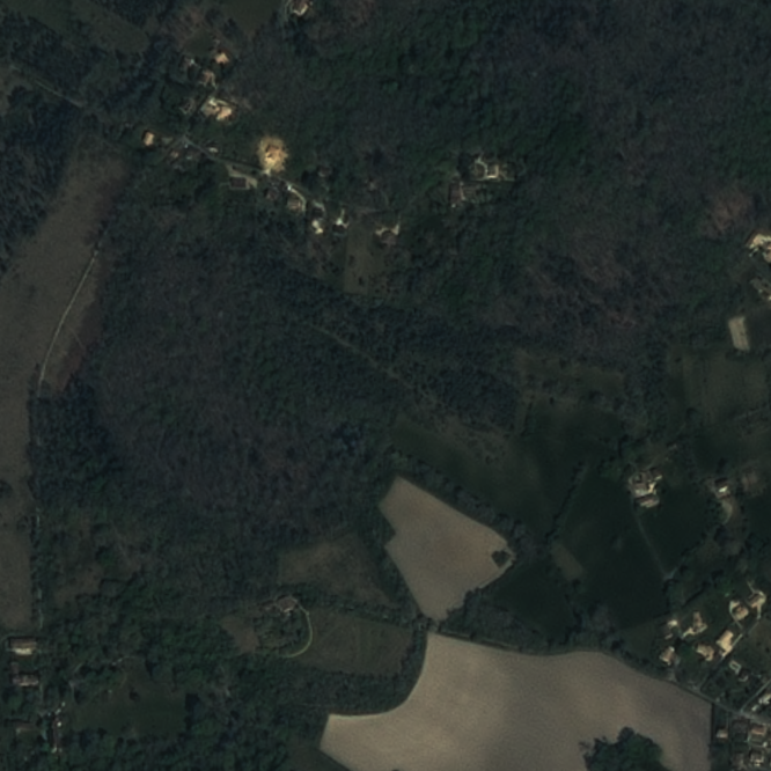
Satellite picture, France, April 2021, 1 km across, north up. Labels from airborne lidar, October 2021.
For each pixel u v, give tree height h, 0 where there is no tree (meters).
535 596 0
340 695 10
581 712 0
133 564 23
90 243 0
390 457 19
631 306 16
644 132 18
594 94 14
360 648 0
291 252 14
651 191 19
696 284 26
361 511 9
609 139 21
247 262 27
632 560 0
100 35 10
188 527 25
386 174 23
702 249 24
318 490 20
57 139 18
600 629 21
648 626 0
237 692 15
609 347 24
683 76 12
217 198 25
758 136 24
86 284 0
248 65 17
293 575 0
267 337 18
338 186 21
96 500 26
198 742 24
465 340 23
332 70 20
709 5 19
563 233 22
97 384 24
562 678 0
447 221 12
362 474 16
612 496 0
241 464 21
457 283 17
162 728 0
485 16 24
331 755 0
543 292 17
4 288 0
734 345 0
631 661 12
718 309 20
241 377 17
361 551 0
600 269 18
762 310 0
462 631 7
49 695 13
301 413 14
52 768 19
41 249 0
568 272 27
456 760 0
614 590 0
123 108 17
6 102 0
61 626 9
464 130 17
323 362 13
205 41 0
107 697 11
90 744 21
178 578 17
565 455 0
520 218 17
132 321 17
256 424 15
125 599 15
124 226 18
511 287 27
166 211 12
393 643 0
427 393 12
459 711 0
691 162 17
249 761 19
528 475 0
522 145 20
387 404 15
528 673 0
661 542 0
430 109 23
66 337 0
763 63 12
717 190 18
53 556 11
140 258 19
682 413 0
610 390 0
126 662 18
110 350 19
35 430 14
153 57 10
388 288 9
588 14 15
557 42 27
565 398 18
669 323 20
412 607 18
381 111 23
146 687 0
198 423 18
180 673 13
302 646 6
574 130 20
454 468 0
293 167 19
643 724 0
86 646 23
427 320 12
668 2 15
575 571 0
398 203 15
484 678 0
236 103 18
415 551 0
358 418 18
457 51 19
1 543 0
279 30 15
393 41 14
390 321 16
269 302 17
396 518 0
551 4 23
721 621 0
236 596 15
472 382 22
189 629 8
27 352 0
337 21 12
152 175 15
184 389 24
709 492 8
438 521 0
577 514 0
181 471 12
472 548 0
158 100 15
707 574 0
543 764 0
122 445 21
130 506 28
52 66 9
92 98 11
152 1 10
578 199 23
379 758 0
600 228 19
